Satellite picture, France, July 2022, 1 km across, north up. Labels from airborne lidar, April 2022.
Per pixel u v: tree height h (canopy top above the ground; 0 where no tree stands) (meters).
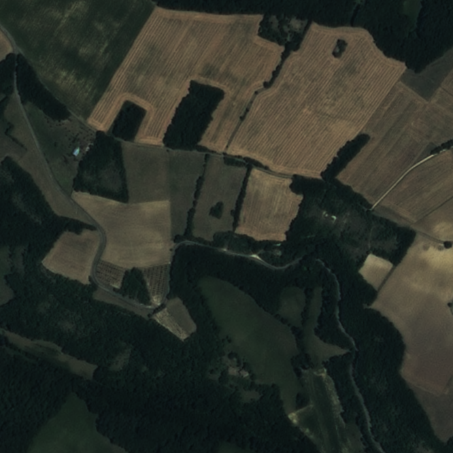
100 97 0
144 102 0
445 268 0
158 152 0
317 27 0
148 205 0
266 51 0
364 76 0
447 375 0
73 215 0
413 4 0
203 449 30
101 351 14
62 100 0
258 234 0
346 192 15
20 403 12
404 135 0
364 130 0
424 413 10
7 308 14
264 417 13
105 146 13
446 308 0
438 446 11
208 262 22
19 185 12
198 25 0
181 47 0
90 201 0
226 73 0
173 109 0
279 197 0
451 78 0
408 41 23
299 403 9
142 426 29
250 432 15
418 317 0
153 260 0
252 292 18
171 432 27
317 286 18
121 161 6
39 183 0
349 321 10
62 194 0
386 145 0
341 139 0
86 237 0
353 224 0
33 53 0
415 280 0
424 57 17
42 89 11
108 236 0
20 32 0
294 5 15
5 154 0
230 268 21
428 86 0
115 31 0
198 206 0
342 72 0
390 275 0
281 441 20
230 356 13
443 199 0
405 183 0
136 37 0
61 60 0
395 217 0
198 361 16
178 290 12
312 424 0
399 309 0
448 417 0
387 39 25
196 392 22
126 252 0
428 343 0
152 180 0
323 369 0
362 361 19
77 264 0
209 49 0
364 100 0
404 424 13
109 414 23
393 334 12
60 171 0
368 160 0
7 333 0
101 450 0
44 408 16
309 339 0
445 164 0
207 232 0
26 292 9
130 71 0
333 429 0
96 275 0
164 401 17
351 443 0
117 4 0
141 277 11
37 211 9
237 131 0
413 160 0
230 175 0
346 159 16
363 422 20
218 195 0
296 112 0
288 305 0
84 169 6
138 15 0
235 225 11
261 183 0
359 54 0
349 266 13
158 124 0
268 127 0
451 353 0
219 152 0
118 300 0
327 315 11
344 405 17
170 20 0
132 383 17
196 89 13
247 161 12
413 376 0
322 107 0
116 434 21
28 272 7
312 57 0
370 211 11
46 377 23
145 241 0
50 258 0
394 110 0
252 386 10
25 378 21
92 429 0
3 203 19
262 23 11
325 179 15
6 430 17
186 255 17
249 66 0
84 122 0
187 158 0
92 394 17
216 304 0
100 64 0
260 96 0
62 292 7
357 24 15
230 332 0
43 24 0
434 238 0
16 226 16
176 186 0
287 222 0
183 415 25
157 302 0
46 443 0
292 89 0
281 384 0
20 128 0
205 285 0
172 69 0
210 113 7
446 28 16
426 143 0
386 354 9
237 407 13
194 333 6
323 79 0
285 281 23
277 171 0
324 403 0
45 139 0
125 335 10
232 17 0
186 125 13
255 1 22
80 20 0
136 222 0
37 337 15
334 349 0
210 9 14
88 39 0
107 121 0
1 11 0
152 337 18
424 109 0
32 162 0
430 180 0
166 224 0
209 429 20
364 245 0
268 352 0
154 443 23
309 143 0
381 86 0
